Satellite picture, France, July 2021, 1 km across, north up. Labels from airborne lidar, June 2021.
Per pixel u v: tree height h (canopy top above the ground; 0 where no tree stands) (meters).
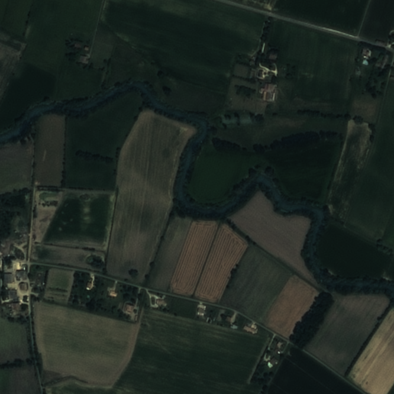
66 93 0
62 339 0
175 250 0
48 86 0
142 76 0
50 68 0
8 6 0
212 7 0
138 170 0
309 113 15
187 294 0
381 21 0
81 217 0
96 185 0
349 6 0
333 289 13
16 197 6
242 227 0
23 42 0
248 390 0
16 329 0
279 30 0
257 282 0
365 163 0
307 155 0
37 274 0
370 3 0
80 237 0
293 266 0
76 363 0
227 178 0
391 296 12
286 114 0
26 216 0
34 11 0
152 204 0
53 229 0
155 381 0
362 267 0
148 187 0
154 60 0
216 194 0
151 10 0
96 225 0
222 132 0
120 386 0
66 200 0
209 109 0
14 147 0
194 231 0
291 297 0
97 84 0
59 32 0
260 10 0
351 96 0
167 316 0
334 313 0
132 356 0
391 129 0
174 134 0
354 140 0
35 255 0
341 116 14
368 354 0
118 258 0
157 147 0
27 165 0
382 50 13
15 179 0
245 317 0
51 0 0
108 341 0
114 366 0
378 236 0
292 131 0
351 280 8
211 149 0
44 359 0
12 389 0
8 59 0
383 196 0
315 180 0
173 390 0
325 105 0
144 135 0
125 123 0
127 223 0
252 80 9
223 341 0
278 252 0
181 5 0
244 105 0
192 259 0
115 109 0
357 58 7
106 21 0
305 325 24
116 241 0
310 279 0
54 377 0
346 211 0
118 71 0
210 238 0
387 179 0
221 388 0
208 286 0
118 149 10
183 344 0
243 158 0
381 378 0
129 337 0
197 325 0
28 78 0
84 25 0
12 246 0
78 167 0
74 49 9
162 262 0
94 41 0
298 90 0
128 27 0
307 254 10
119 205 0
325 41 0
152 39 0
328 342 0
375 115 0
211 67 0
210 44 0
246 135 0
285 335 0
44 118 0
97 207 0
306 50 0
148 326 0
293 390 0
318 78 0
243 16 0
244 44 0
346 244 0
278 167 0
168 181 0
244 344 0
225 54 0
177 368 0
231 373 0
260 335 0
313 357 0
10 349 0
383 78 17
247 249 0
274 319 0
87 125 0
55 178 0
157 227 0
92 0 0
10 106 0
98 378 0
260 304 0
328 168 0
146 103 6
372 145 0
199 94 0
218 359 0
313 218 14
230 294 0
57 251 0
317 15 0
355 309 0
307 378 0
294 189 0
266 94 0
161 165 0
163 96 0
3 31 0
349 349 0
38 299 10
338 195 0
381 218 0
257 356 0
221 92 0
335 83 0
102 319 0
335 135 21
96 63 0
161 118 0
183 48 0
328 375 0
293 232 0
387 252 10
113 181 0
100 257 0
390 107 0
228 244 0
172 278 0
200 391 0
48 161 0
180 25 0
